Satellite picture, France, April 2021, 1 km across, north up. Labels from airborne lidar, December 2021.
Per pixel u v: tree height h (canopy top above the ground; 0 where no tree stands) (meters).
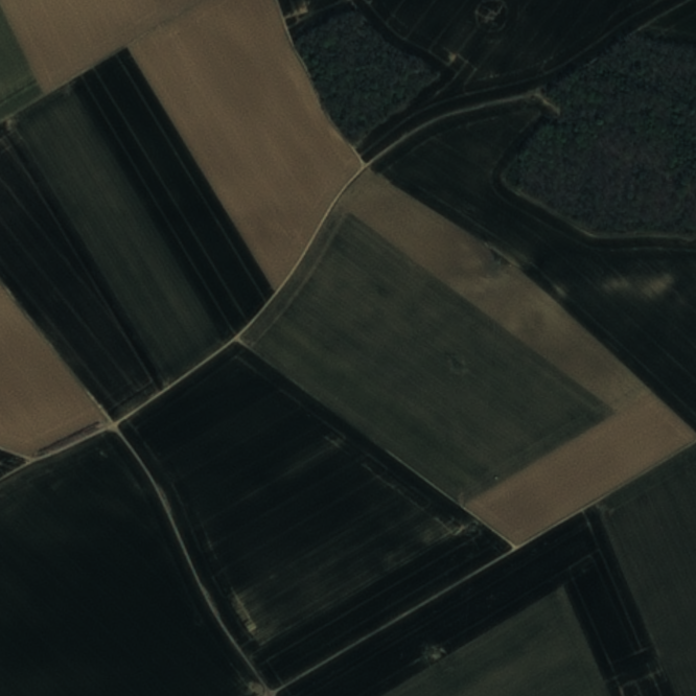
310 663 0
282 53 0
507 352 0
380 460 0
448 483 0
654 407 0
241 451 0
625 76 9
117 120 0
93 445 0
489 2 0
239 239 0
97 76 0
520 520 0
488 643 0
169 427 0
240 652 0
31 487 0
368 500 0
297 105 0
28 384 0
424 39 0
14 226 0
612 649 0
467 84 0
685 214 16
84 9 0
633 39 22
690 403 0
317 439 0
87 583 0
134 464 0
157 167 0
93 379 0
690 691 0
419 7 0
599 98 20
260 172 0
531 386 0
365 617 0
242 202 0
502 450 0
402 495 0
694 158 15
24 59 0
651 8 0
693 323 0
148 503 0
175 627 0
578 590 0
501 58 0
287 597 0
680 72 19
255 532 0
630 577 0
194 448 0
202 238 0
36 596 0
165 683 0
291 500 0
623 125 16
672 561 0
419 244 0
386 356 0
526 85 0
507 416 0
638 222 16
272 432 0
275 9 0
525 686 0
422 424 0
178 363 0
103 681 0
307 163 0
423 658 0
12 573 0
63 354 0
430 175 0
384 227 0
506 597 0
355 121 8
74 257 0
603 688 0
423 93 0
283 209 0
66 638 0
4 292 0
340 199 0
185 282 0
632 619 0
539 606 0
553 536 0
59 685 0
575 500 0
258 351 0
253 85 0
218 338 0
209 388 0
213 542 0
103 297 0
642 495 0
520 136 0
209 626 0
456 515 0
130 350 0
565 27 0
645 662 0
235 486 0
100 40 0
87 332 0
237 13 0
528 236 0
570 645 0
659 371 0
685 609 0
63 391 0
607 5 0
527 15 0
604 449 0
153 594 0
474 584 0
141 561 0
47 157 0
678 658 0
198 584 0
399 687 0
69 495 0
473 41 0
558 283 0
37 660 0
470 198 0
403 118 0
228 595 0
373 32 16
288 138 0
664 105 22
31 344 0
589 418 0
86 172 0
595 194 18
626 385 0
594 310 0
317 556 0
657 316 0
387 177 0
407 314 0
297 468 0
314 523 0
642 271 0
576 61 0
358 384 0
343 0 0
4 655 0
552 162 22
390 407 0
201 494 0
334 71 20
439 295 0
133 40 0
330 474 0
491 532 0
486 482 0
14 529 0
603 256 0
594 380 0
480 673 0
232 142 0
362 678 0
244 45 0
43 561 0
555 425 0
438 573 0
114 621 0
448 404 0
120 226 0
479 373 0
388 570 0
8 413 0
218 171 0
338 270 0
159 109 0
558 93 14
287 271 0
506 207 0
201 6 0
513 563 0
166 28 0
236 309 0
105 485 0
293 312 0
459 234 0
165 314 0
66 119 0
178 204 0
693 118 19
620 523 0
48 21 0
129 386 0
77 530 0
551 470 0
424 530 0
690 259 0
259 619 0
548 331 0
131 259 0
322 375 0
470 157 0
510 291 0
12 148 0
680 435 0
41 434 0
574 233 0
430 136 0
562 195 16
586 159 20
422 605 0
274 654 0
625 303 0
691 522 0
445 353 0
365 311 0
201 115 0
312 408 0
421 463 0
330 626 0
